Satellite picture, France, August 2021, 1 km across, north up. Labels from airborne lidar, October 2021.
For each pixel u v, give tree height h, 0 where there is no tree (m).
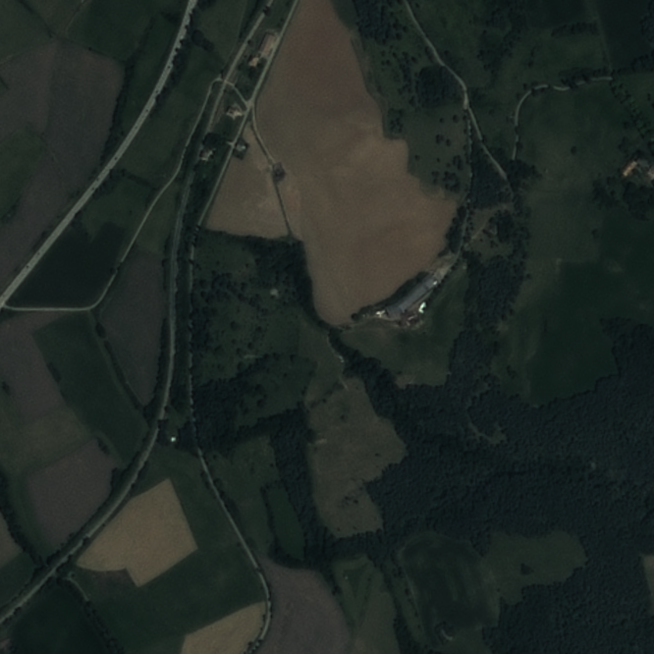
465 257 10
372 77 0
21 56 0
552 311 0
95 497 0
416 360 0
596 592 12
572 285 0
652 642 11
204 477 11
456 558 0
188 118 0
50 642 0
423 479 14
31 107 0
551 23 0
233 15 0
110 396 0
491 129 0
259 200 0
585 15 0
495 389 12
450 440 19
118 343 0
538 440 14
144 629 0
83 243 0
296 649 0
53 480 0
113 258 0
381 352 0
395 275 0
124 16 0
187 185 0
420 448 13
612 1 0
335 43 0
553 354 0
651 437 10
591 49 0
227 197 0
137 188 0
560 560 0
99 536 0
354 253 0
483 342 11
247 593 0
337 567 0
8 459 0
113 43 0
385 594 0
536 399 0
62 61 0
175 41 0
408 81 10
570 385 0
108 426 0
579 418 9
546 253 0
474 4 0
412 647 10
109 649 9
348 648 0
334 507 0
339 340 6
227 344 0
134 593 0
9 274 0
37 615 0
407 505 11
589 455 7
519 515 15
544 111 0
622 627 8
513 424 11
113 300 0
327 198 0
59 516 0
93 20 0
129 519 0
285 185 0
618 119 0
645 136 14
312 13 0
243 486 0
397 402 19
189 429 15
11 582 0
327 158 0
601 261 0
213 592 0
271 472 0
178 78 20
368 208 0
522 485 14
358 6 14
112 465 0
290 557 10
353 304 0
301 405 10
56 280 0
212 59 0
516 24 9
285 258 12
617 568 13
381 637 0
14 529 12
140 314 0
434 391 11
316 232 0
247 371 13
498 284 11
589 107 0
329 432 0
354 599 0
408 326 0
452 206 0
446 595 0
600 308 0
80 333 0
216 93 0
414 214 0
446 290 0
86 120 0
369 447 0
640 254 0
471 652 0
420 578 0
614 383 14
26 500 0
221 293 15
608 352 0
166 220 0
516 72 0
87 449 0
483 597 0
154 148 0
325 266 0
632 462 11
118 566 0
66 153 0
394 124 7
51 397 0
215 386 10
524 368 0
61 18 0
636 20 0
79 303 0
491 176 14
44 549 0
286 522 0
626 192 7
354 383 0
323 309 0
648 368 16
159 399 9
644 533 18
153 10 0
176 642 0
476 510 15
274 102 0
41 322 0
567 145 0
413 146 0
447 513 17
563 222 0
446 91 11
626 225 0
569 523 14
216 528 0
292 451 10
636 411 12
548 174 0
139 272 0
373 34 14
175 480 0
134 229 0
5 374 0
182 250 9
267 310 8
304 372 0
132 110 0
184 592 0
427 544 0
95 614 13
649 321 0
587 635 12
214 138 13
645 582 11
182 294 10
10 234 0
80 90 0
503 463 10
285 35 0
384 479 9
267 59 0
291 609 0
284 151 0
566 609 10
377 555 14
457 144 0
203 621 0
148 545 0
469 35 0
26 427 0
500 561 0
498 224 7
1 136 0
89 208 0
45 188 0
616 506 9
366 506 0
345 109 0
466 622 0
